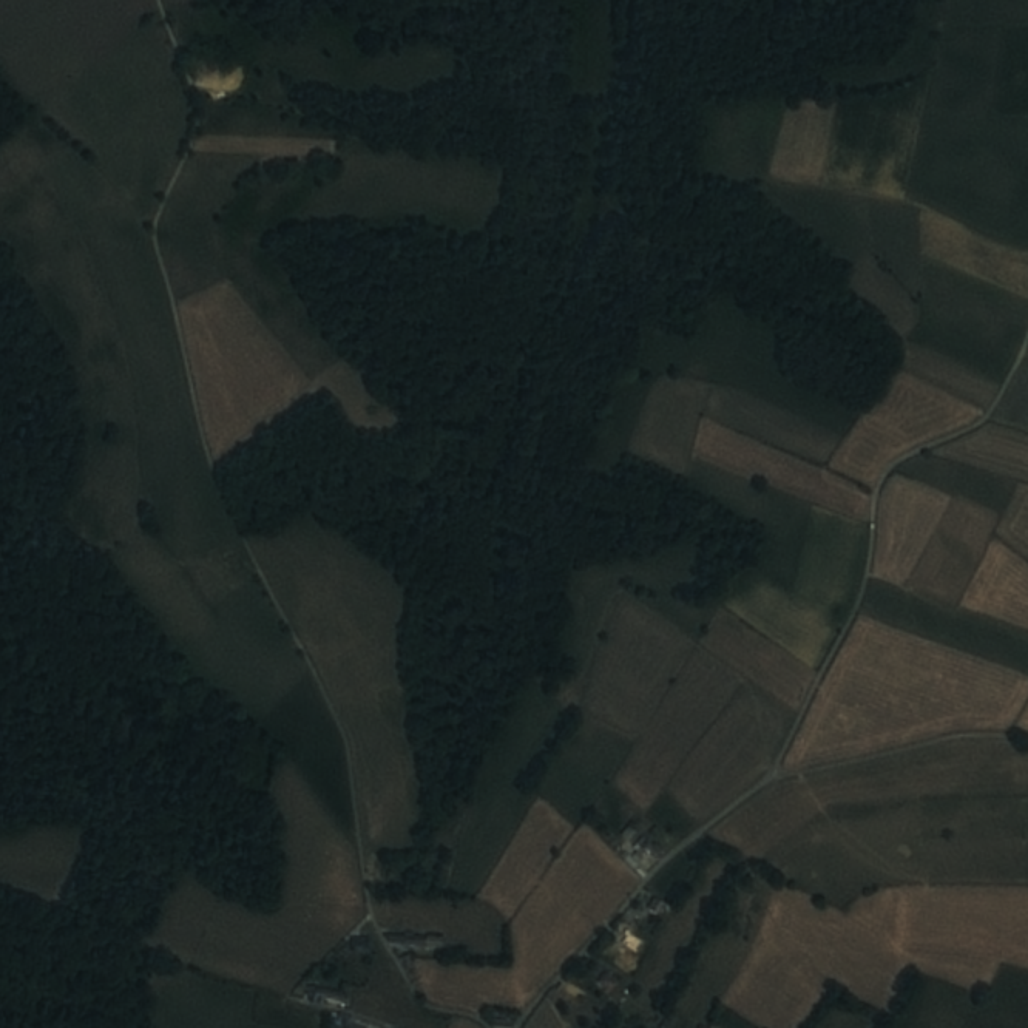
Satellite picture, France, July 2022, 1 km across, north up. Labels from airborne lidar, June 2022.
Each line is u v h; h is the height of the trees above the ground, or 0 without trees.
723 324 0
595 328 16
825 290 30
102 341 0
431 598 24
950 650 0
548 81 10
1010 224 0
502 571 9
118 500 0
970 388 0
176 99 0
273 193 0
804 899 0
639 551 20
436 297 22
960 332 0
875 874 0
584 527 28
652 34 24
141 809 18
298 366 0
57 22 0
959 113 0
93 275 0
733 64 23
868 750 0
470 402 27
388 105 19
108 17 0
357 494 29
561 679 8
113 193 0
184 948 0
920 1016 0
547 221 17
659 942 0
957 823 0
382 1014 0
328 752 0
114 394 0
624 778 0
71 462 23
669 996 21
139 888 28
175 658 20
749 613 0
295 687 0
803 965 0
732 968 0
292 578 0
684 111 23
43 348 27
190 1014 0
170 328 0
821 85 25
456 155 17
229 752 28
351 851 0
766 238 26
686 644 0
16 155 0
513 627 26
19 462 21
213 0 17
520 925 0
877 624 0
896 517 0
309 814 0
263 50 0
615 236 22
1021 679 0
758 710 0
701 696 0
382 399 20
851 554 0
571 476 23
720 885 15
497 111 18
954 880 0
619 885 0
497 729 10
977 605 0
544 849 0
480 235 15
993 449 0
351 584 0
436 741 25
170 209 0
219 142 0
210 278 0
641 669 0
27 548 15
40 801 23
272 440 17
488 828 0
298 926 0
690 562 0
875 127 0
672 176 24
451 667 30
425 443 26
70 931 24
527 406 22
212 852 26
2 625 32
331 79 0
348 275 6
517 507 24
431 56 0
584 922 0
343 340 21
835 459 0
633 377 12
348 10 27
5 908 20
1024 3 0
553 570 24
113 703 31
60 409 25
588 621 0
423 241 27
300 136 0
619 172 24
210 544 0
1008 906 0
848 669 0
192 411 0
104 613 25
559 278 26
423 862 8
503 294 26
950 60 0
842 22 26
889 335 25
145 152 0
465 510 25
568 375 23
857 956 0
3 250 19
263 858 31
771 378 0
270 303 0
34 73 0
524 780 15
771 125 0
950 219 0
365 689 0
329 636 0
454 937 0
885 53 19
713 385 0
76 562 29
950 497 0
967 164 0
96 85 0
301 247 26
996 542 0
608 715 0
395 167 0
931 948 0
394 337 27
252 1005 0
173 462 0
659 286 24
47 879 0
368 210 0
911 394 0
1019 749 20
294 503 17
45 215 0
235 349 0
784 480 0
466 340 24
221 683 0
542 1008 0
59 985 25
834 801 0
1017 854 0
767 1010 0
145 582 0
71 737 27
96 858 16
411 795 0
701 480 0
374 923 0
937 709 0
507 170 17
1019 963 0
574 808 0
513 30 18
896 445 0
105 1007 28
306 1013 0
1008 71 0
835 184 0
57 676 32
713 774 0
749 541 26
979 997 16
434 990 0
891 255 0
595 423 21
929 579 0
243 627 0
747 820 0
